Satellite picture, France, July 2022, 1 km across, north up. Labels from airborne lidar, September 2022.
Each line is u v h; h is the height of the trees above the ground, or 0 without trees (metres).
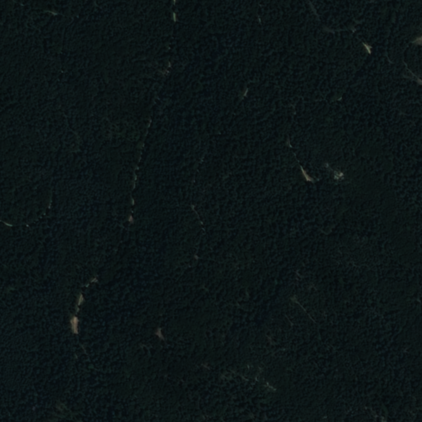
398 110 24
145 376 18
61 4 7
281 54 7
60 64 30
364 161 27
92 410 37
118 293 24
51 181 29
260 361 13
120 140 14
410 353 21
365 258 18
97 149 30
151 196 18
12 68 28
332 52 24
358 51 23
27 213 21
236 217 21
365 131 24
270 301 14
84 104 31
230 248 21
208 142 16
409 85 27
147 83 29
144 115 15
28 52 28
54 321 22
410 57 12
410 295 17
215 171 17
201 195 17
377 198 22
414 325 12
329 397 16
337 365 23
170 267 15
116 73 16
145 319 21
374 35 17
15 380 30
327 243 16
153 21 10
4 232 13
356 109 26
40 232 22
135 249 28
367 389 26
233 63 22
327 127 15
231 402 26
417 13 15
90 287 12
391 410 28
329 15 30
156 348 28
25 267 27
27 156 23
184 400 23
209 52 16
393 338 22
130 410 24
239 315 17
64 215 37
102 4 17
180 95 18
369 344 28
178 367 26
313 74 17
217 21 16
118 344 16
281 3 34
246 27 26
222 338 26
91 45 30
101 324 11
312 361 18
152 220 17
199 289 21
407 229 22
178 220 23
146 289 35
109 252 30
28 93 25
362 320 26
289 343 14
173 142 17
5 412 31
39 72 25
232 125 21
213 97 25
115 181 20
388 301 18
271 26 21
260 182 15
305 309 16
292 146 10
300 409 16
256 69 19
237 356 21
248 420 9
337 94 9
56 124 18
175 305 25
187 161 23
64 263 12
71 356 31
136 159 12
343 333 13
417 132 18
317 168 7
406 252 16
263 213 27
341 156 11
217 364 23
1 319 34
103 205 36
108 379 33
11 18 16
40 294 32
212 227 11
